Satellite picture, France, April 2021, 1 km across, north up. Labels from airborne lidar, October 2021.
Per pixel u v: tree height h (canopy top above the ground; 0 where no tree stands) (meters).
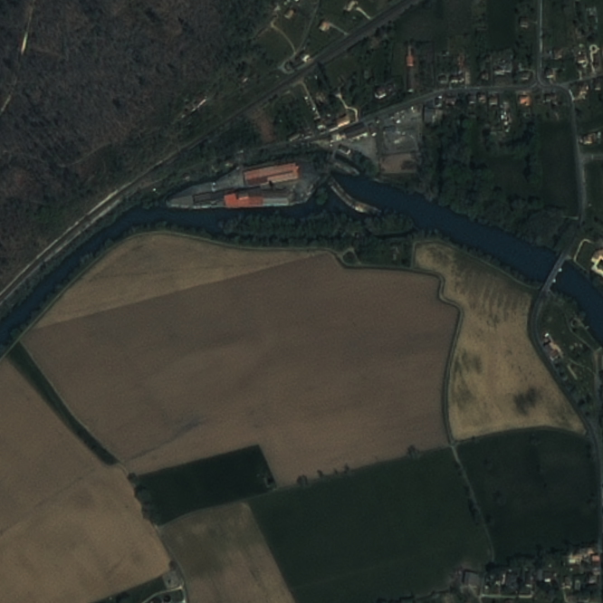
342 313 0
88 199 10
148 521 11
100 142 12
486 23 7
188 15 11
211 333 0
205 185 0
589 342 0
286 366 0
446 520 0
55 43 17
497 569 15
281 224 31
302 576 0
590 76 0
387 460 0
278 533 0
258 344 0
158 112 19
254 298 0
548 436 0
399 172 0
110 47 20
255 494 0
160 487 0
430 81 11
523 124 8
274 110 0
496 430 0
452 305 0
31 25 10
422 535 0
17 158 10
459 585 0
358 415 0
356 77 6
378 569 0
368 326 0
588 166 0
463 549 0
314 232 20
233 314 0
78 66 14
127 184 19
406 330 0
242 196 0
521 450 0
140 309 0
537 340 0
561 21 0
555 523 0
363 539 0
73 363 0
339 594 0
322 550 0
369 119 0
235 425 0
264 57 17
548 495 0
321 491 0
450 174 27
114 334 0
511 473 0
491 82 6
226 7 19
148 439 0
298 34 0
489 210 20
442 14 0
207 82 18
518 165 0
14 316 0
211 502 0
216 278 0
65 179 13
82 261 24
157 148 15
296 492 0
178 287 0
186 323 0
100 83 10
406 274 0
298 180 0
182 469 0
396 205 0
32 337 0
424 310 0
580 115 16
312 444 0
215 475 0
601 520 0
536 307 0
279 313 0
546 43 10
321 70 18
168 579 0
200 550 0
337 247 25
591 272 8
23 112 9
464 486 0
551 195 0
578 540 0
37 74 15
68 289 0
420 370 0
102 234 0
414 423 0
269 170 0
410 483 0
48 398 0
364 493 0
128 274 0
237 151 16
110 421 0
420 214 0
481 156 0
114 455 0
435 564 0
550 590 12
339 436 0
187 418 0
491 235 0
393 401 0
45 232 15
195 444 0
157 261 0
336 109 7
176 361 0
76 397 0
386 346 0
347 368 0
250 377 0
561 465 0
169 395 0
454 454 0
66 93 13
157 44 12
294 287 0
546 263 0
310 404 0
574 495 0
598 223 14
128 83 17
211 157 22
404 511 0
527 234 10
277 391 0
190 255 0
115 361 0
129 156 10
